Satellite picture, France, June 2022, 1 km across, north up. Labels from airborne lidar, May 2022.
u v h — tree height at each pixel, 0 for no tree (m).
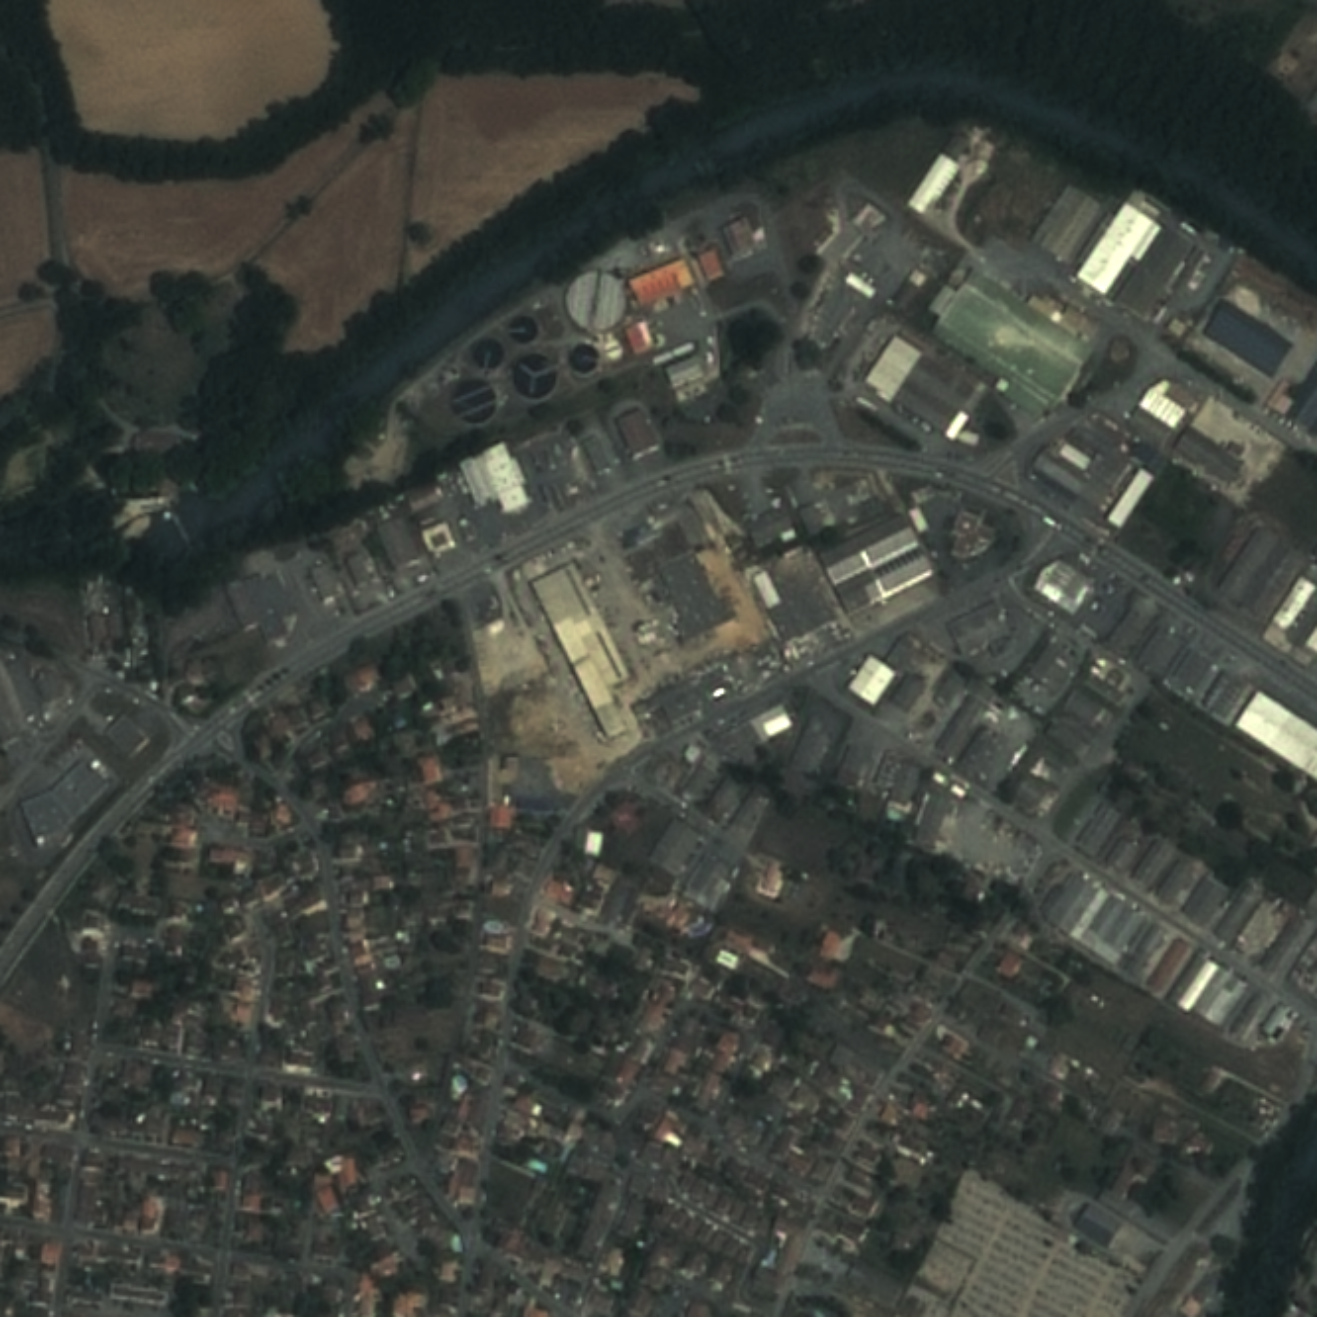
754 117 0
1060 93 13
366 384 0
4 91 19
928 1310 0
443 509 0
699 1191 0
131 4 0
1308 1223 15
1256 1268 8
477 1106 0
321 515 24
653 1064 7
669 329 0
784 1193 0
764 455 0
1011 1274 0
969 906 9
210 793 0
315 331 0
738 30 17
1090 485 0
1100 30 19
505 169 0
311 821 0
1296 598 0
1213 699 0
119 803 0
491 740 0
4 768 0
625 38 19
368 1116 0
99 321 14
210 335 17
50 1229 0
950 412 0
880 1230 7
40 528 25
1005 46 24
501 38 14
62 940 0
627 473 0
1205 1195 0
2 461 17
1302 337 0
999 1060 0
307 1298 14
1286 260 17
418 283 11
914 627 0
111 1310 0
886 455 0
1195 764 0
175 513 0
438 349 0
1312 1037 0
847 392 0
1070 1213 0
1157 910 0
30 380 9
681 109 20
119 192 0
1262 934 0
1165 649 0
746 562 0
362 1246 6
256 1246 7
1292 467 0
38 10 18
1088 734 0
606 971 12
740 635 0
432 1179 0
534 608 0
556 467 0
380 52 17
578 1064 0
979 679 8
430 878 0
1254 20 7
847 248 0
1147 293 0
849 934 0
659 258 0
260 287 12
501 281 0
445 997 15
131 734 0
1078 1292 0
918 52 26
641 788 0
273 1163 6
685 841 0
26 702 0
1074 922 0
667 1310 0
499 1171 0
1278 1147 11
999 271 0
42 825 0
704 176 9
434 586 0
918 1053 0
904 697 0
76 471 32
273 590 0
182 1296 9
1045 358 0
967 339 0
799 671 0
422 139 0
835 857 12
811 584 0
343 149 0
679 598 0
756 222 0
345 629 0
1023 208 0
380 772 8
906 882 9
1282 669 0
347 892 0
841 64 12
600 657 0
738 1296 0
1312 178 18
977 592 0
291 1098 7
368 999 0
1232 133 13
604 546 0
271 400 20
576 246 20
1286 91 7
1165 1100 0
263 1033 13
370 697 0
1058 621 0
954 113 19
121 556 23
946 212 0
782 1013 9
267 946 0
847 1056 0
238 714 0
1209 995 0
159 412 0
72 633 0
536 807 0
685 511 0
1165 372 0
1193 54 15
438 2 12
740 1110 6
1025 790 0
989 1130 6
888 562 0
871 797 0
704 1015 6
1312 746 0
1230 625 0
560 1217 0
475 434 13
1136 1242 0
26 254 0
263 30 0
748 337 16
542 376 0
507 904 0
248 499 0
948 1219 11
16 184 0
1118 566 0
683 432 0
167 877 8
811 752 0
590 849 0
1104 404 0
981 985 0
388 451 0
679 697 0
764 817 0
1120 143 0
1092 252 0
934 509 0
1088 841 0
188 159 16
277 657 0
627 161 22
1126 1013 0
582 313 0
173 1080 8
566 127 0
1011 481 0
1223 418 0
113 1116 7
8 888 0
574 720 0
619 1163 7
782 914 0
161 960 6
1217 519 0
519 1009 6
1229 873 9
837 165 0
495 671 0
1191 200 19
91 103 0
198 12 0
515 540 0
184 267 0
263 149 20
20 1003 0
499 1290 8
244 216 0
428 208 0
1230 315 0
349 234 0
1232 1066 0
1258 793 0
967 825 0
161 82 0
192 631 0
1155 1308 0
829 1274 6
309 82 0
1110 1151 8
